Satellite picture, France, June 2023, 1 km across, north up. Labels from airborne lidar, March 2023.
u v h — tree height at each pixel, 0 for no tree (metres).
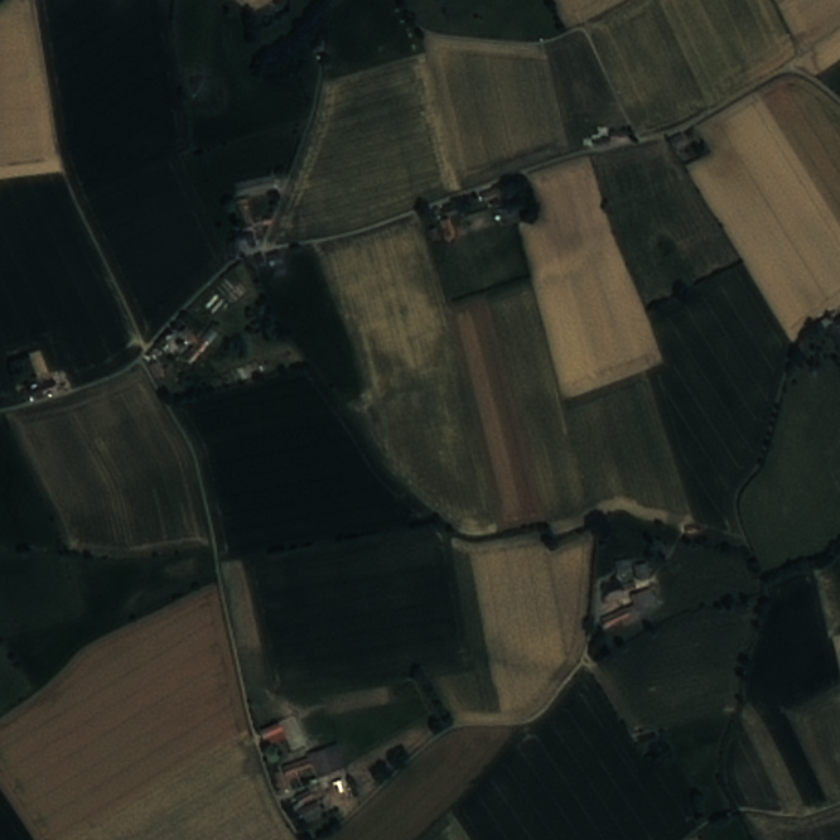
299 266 0
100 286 0
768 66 0
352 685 0
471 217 0
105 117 0
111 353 0
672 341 0
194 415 0
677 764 0
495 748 0
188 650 0
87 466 0
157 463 0
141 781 0
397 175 0
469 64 0
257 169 0
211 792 0
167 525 0
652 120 0
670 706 0
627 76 0
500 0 0
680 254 0
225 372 0
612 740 0
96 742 0
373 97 0
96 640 0
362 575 0
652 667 0
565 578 0
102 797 0
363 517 0
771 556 0
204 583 0
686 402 0
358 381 0
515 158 0
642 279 0
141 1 0
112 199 0
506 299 0
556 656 0
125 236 0
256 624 0
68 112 0
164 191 0
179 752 0
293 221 0
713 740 0
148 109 0
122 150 0
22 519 0
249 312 7
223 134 0
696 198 0
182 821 0
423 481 0
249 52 0
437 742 0
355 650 0
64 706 0
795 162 0
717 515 0
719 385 0
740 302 0
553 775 0
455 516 0
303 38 20
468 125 0
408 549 0
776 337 0
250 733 0
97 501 0
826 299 0
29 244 0
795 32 0
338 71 0
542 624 0
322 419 0
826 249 0
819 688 0
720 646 0
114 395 0
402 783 0
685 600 0
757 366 0
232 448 0
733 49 0
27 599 0
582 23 0
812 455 0
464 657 0
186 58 0
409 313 0
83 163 0
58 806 0
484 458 0
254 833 0
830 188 0
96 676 0
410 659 0
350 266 0
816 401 0
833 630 0
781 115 0
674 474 0
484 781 0
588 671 0
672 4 0
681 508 0
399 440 0
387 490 0
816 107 0
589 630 12
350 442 0
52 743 0
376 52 0
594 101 0
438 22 0
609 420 0
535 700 0
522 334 0
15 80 0
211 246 0
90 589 0
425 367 0
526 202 15
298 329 0
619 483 0
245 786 0
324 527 0
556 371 0
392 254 0
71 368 0
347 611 0
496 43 0
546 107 0
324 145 0
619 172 0
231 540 0
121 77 0
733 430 0
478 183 0
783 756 0
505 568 0
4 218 0
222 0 0
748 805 0
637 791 0
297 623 0
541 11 0
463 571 0
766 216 0
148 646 0
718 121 0
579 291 0
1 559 0
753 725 0
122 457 0
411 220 0
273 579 0
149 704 0
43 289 0
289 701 0
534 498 0
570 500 0
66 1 0
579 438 0
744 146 0
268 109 0
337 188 0
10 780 0
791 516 0
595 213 0
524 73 0
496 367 0
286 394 0
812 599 0
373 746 0
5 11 0
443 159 0
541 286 0
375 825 0
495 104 0
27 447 0
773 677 0
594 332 0
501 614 0
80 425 0
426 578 0
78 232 0
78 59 0
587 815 0
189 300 0
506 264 0
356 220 0
